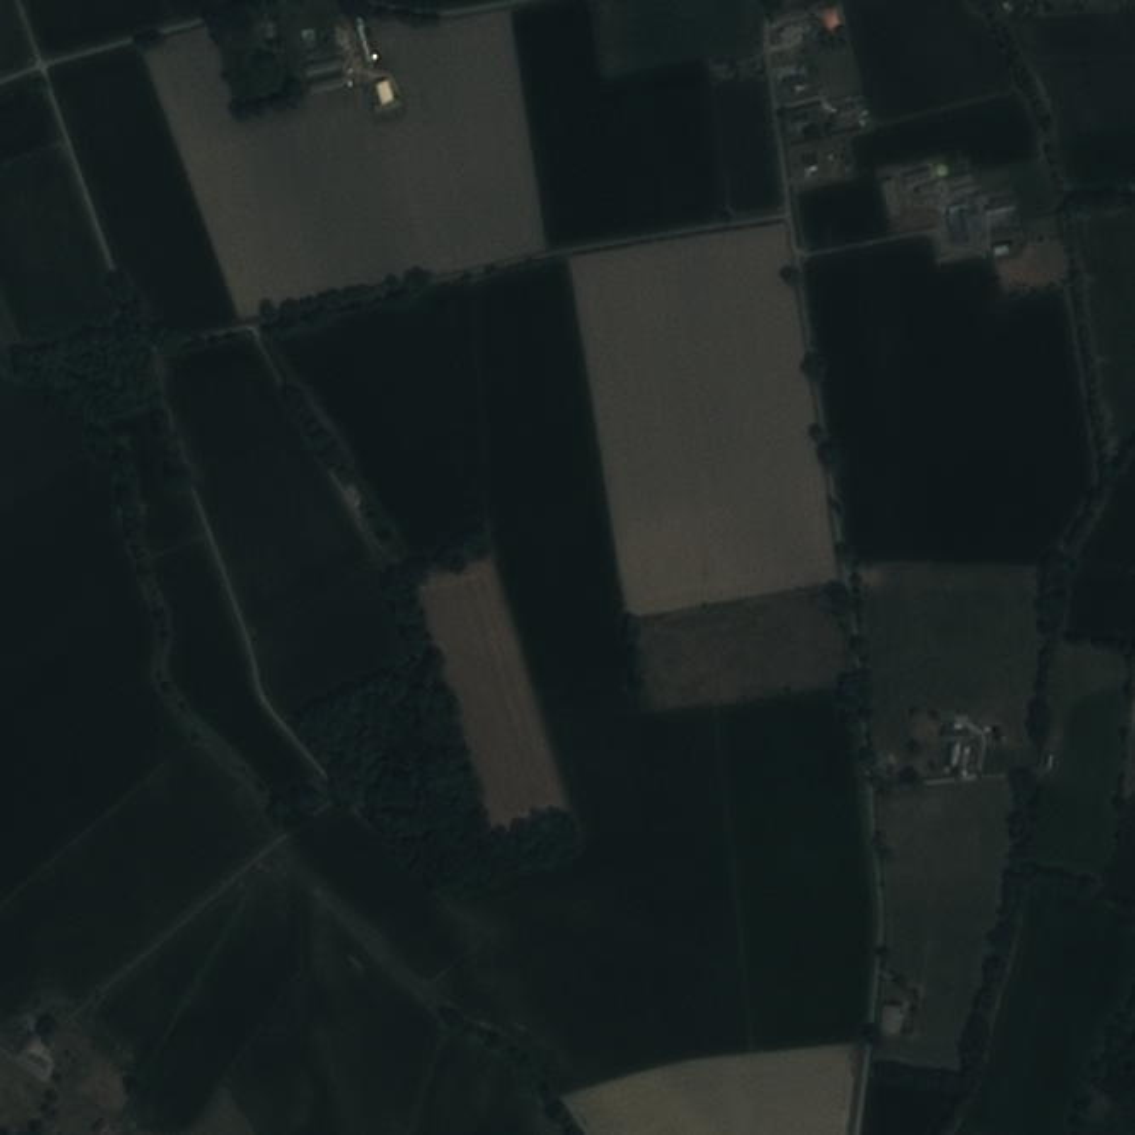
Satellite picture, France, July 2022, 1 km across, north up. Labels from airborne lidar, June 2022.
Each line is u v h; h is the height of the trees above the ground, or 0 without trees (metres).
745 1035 0
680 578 0
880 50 0
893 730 0
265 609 0
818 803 0
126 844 0
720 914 0
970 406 0
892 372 0
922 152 0
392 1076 0
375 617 0
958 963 0
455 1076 0
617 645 0
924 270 0
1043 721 19
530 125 0
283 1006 0
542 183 0
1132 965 0
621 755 0
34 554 0
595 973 0
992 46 0
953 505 0
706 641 0
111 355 16
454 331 0
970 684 0
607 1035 0
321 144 0
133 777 0
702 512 0
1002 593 0
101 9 0
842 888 0
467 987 0
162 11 0
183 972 0
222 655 0
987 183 0
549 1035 0
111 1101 0
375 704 24
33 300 0
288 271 0
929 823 0
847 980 0
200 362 0
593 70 0
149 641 0
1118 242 0
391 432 0
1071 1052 0
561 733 0
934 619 0
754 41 0
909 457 0
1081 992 0
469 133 0
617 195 0
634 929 0
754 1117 0
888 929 0
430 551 0
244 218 0
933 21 0
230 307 0
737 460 0
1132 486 0
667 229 0
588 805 0
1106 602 0
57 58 0
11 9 0
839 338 0
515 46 0
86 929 0
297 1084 0
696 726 0
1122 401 0
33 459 0
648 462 0
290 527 0
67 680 0
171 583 0
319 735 27
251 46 0
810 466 0
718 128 0
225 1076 0
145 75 0
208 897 0
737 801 0
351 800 24
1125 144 0
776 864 0
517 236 0
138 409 10
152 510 0
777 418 0
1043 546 0
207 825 0
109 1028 0
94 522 0
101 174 0
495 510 0
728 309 0
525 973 0
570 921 0
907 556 0
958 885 0
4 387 0
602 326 0
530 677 0
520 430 0
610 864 0
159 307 0
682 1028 0
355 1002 0
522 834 24
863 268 0
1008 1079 0
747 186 0
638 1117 0
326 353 0
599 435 0
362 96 0
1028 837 17
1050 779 0
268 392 0
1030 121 0
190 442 0
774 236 0
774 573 0
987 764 0
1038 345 0
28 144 0
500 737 0
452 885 22
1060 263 0
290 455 0
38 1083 0
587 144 0
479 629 0
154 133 0
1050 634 17
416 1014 0
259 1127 0
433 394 0
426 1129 0
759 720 0
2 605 0
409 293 18
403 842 26
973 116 0
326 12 0
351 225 0
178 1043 0
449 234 0
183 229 0
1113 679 0
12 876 0
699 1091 0
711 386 0
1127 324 0
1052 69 0
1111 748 0
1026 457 0
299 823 20
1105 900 13
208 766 0
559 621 0
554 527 0
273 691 0
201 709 0
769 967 0
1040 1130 0
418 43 0
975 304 0
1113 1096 18
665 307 0
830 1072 0
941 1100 0
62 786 0
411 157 0
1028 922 0
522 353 0
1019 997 0
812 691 0
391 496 0
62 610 0
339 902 0
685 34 0
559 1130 0
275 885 0
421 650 15
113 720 0
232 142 0
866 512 0
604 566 0
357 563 0
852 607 12
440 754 31
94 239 0
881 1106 0
